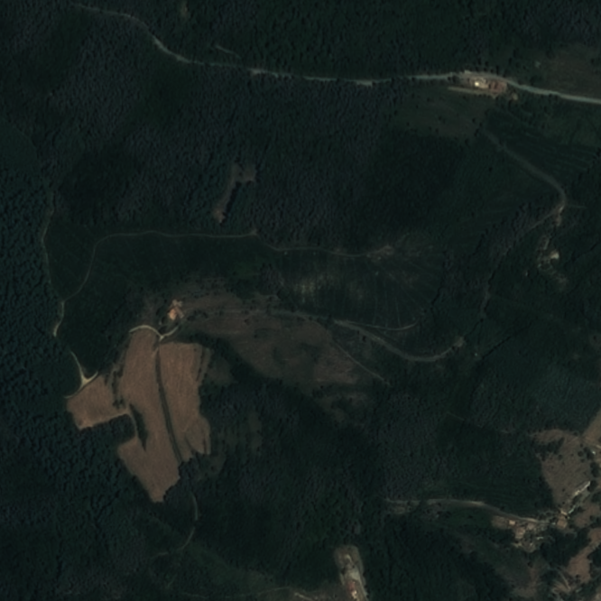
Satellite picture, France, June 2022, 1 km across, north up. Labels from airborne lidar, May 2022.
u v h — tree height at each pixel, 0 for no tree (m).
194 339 13
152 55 20
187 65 12
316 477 15
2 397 19
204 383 6
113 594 8
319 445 17
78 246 6
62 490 28
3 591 18
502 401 15
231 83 13
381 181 9
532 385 18
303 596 0
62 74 15
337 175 15
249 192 27
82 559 15
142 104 15
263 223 18
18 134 12
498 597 20
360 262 0
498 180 14
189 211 21
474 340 22
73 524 14
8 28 12
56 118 19
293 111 17
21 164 15
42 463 33
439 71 18
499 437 13
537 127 17
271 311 8
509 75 8
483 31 13
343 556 0
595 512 0
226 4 17
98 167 12
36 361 28
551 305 12
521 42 19
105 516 25
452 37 20
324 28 19
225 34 11
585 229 9
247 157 21
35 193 10
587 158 0
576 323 9
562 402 8
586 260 28
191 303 0
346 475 18
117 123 22
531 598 0
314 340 0
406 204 7
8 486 20
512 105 12
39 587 15
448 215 12
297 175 20
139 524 14
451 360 8
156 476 0
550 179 0
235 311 0
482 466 13
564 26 23
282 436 11
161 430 0
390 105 15
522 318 7
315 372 0
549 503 8
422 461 16
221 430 6
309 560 9
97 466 28
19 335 29
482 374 16
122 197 15
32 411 13
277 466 15
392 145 12
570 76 0
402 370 9
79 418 0
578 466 0
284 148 18
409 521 21
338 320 0
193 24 18
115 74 22
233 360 14
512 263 10
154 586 10
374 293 0
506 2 13
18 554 20
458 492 10
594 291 16
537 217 10
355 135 14
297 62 18
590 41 11
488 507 0
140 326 0
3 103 13
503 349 19
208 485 12
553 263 11
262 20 15
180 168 19
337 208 6
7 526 18
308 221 23
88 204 16
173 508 15
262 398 17
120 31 20
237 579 0
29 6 23
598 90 0
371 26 20
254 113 21
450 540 25
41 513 20
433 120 0
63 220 14
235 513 13
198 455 15
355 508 20
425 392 15
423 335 10
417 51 21
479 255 15
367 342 8
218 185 22
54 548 20
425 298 0
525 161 0
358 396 0
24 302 28
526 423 15
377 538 19
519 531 0
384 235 6
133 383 0
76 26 16
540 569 0
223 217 30
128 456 0
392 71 14
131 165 14
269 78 19
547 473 0
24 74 10
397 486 20
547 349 13
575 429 8
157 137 21
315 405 13
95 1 26
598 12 19
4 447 11
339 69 19
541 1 18
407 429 20
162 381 0
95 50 17
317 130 19
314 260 0
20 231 26
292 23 15
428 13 19
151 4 13
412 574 15
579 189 6
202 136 21
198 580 9
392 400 17
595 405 9
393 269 0
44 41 15
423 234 7
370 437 7
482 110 0
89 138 11
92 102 17
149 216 15
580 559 0
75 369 11
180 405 0
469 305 15
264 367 0
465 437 13
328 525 16
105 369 15
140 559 17
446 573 16
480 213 7
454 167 11
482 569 19
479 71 10
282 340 0
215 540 12
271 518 16
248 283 10
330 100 14
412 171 8
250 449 10
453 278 15
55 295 26
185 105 17
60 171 23
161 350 0
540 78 10
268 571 15
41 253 23
